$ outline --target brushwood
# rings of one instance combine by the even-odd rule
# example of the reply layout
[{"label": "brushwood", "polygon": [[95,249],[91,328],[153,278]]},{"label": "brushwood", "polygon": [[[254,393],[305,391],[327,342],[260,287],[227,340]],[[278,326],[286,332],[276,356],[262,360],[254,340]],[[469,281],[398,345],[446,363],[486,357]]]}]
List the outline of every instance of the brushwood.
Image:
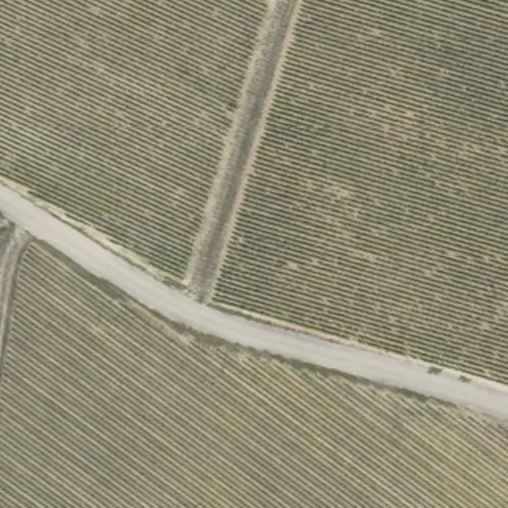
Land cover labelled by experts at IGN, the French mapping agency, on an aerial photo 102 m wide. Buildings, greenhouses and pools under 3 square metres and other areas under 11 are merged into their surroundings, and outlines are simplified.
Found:
[{"label": "brushwood", "polygon": [[10,222],[6,226],[0,226],[0,254],[4,252],[10,236],[14,234],[16,224]]}]

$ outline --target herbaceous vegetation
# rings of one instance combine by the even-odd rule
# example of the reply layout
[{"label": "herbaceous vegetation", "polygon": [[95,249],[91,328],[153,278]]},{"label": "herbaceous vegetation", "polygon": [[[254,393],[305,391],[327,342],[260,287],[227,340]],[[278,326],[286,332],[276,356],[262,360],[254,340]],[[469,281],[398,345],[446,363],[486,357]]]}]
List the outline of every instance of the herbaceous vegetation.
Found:
[{"label": "herbaceous vegetation", "polygon": [[24,240],[32,234],[24,226],[16,224],[14,234],[10,236],[4,252],[0,254],[0,351],[16,258]]}]

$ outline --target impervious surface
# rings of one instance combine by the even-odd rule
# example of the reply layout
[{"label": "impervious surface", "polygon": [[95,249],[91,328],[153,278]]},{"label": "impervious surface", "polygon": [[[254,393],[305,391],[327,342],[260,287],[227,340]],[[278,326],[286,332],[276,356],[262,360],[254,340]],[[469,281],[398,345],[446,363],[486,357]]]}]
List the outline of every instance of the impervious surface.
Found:
[{"label": "impervious surface", "polygon": [[268,349],[272,353],[282,353],[286,357],[310,361],[321,367],[347,371],[359,377],[383,381],[397,387],[407,387],[425,395],[435,395],[454,403],[468,405],[476,411],[492,413],[500,419],[508,419],[508,385],[480,379],[472,373],[448,369],[441,363],[425,363],[421,359],[403,357],[375,347],[343,347],[319,341],[316,337],[272,329],[240,317],[220,314],[194,302],[192,298],[187,298],[183,292],[169,288],[161,282],[155,282],[143,272],[127,266],[123,260],[111,256],[109,252],[101,250],[87,238],[83,238],[79,232],[54,220],[44,210],[36,208],[32,200],[26,200],[18,196],[14,190],[0,185],[0,226],[6,226],[10,222],[16,224],[24,226],[32,234],[62,250],[63,254],[73,258],[91,274],[105,278],[111,284],[125,290],[127,294],[139,298],[149,308],[155,308],[171,319],[183,321],[198,331],[212,333],[242,345],[252,345],[256,349]]}]

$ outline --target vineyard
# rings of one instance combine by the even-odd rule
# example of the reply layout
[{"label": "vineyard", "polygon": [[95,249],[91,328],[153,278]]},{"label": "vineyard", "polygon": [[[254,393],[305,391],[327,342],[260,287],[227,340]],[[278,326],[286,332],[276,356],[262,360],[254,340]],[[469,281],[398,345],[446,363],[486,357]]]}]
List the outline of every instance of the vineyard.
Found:
[{"label": "vineyard", "polygon": [[169,288],[183,292],[187,298],[192,298],[194,302],[220,314],[240,317],[272,329],[316,337],[319,341],[343,347],[375,347],[403,357],[421,359],[425,363],[441,363],[448,369],[472,373],[480,379],[508,385],[508,0],[0,0],[0,185],[14,190],[18,196],[26,200],[32,200],[36,208],[44,210],[54,220],[79,232],[83,238],[87,238],[101,250],[109,252],[111,256],[123,260],[127,266],[143,272],[155,282],[161,282]]},{"label": "vineyard", "polygon": [[321,367],[310,361],[286,357],[282,353],[272,353],[268,349],[256,349],[252,345],[242,345],[212,333],[198,331],[183,321],[171,319],[155,308],[149,308],[139,298],[127,294],[125,290],[111,284],[105,278],[91,274],[73,258],[63,254],[62,250],[32,234],[24,240],[16,258],[0,351],[0,508],[508,508],[508,419],[500,419],[492,413],[476,411],[468,405],[454,403],[435,395],[425,395],[407,387],[397,387],[383,381],[359,377],[347,371]]}]

